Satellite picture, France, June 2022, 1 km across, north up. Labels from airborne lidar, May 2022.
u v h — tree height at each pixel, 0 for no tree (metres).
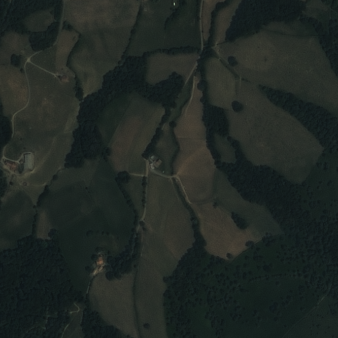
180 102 0
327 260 12
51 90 0
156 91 15
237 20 23
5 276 32
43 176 0
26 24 0
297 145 0
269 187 29
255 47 0
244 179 26
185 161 0
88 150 24
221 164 15
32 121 0
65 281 35
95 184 0
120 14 0
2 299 27
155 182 0
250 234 0
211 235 0
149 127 0
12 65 11
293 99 20
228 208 0
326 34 21
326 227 16
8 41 0
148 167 0
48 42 16
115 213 0
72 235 0
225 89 0
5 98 0
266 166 6
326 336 0
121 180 18
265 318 8
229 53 0
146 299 0
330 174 0
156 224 0
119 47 0
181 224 0
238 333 0
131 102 0
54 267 34
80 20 0
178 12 19
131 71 12
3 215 0
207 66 0
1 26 18
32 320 12
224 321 15
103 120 0
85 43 0
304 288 17
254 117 0
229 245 0
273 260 0
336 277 11
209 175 0
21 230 0
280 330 0
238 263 0
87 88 0
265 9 28
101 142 10
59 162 0
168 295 18
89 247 0
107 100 14
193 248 9
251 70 0
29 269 35
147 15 0
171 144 0
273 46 0
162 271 0
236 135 0
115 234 0
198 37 0
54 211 0
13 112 0
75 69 0
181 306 8
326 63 0
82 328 9
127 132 0
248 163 23
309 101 0
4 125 27
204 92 16
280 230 0
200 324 0
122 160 0
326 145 16
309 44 0
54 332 15
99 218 0
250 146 0
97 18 0
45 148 0
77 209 0
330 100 0
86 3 0
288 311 0
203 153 0
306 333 0
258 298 0
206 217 0
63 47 0
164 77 0
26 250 23
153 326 0
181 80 13
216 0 0
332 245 22
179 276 13
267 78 0
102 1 0
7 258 28
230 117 0
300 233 11
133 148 0
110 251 9
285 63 0
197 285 10
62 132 0
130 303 0
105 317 0
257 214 0
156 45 0
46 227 0
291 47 0
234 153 0
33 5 9
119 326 0
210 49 16
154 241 0
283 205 27
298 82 0
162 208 0
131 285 0
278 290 0
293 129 0
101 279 0
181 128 0
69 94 0
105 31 0
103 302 0
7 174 0
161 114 0
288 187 20
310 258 13
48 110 0
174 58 0
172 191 0
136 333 0
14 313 17
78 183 0
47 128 0
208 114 20
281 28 0
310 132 10
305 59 0
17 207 0
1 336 24
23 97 0
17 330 11
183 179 0
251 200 24
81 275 0
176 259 0
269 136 0
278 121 0
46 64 0
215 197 0
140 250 0
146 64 15
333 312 10
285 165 0
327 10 0
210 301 17
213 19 7
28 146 0
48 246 16
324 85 0
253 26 24
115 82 19
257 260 15
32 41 19
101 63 0
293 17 29
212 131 20
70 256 0
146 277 0
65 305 28
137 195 0
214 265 11
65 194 0
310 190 13
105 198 0
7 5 9
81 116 20
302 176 0
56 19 9
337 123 13
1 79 0
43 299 26
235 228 0
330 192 0
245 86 0
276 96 19
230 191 0
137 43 0
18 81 0
